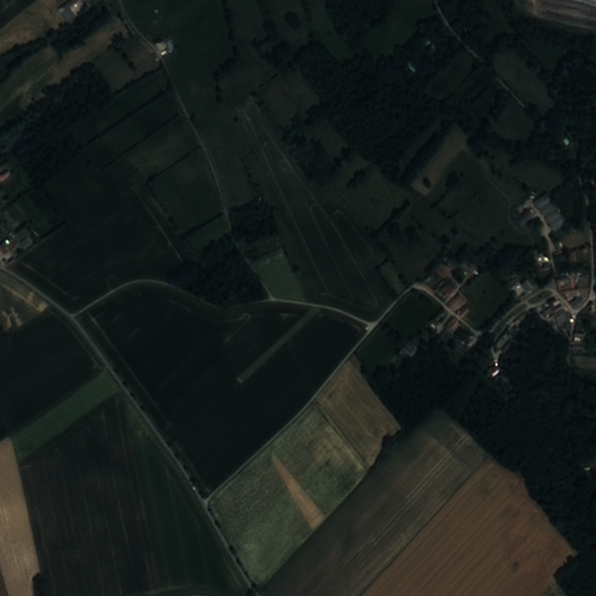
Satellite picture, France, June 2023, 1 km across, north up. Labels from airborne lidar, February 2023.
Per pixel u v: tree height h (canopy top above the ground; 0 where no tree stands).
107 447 0
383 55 0
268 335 0
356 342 0
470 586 0
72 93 21
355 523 0
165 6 0
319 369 0
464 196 0
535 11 0
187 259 0
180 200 0
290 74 0
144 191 0
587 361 0
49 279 0
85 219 0
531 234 0
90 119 0
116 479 0
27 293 0
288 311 0
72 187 0
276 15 0
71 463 0
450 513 0
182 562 0
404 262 0
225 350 0
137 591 0
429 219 0
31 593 0
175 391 0
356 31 22
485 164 0
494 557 0
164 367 0
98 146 0
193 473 0
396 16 0
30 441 0
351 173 0
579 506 21
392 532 0
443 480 0
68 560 0
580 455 36
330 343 0
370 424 0
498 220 0
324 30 0
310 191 0
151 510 0
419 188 0
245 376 0
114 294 0
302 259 0
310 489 0
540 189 0
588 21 0
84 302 0
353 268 0
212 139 0
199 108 0
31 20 0
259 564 0
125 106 0
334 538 0
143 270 0
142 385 0
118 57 0
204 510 0
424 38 20
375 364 0
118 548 0
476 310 0
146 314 0
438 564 0
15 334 0
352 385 0
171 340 0
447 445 0
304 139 28
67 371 0
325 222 0
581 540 25
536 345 18
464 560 0
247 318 0
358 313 0
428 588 0
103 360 0
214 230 0
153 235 0
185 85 0
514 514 0
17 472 0
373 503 0
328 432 0
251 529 0
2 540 0
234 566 0
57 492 0
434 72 15
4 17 0
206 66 0
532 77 0
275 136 0
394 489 0
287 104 0
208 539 0
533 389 18
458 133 0
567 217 9
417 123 10
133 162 0
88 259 0
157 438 0
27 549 0
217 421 0
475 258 9
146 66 0
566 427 23
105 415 0
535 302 0
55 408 0
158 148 0
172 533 0
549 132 14
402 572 0
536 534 0
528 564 0
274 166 0
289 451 0
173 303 0
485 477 0
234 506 0
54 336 0
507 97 9
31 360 0
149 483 0
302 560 0
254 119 0
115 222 0
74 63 0
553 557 0
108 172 0
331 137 0
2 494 0
